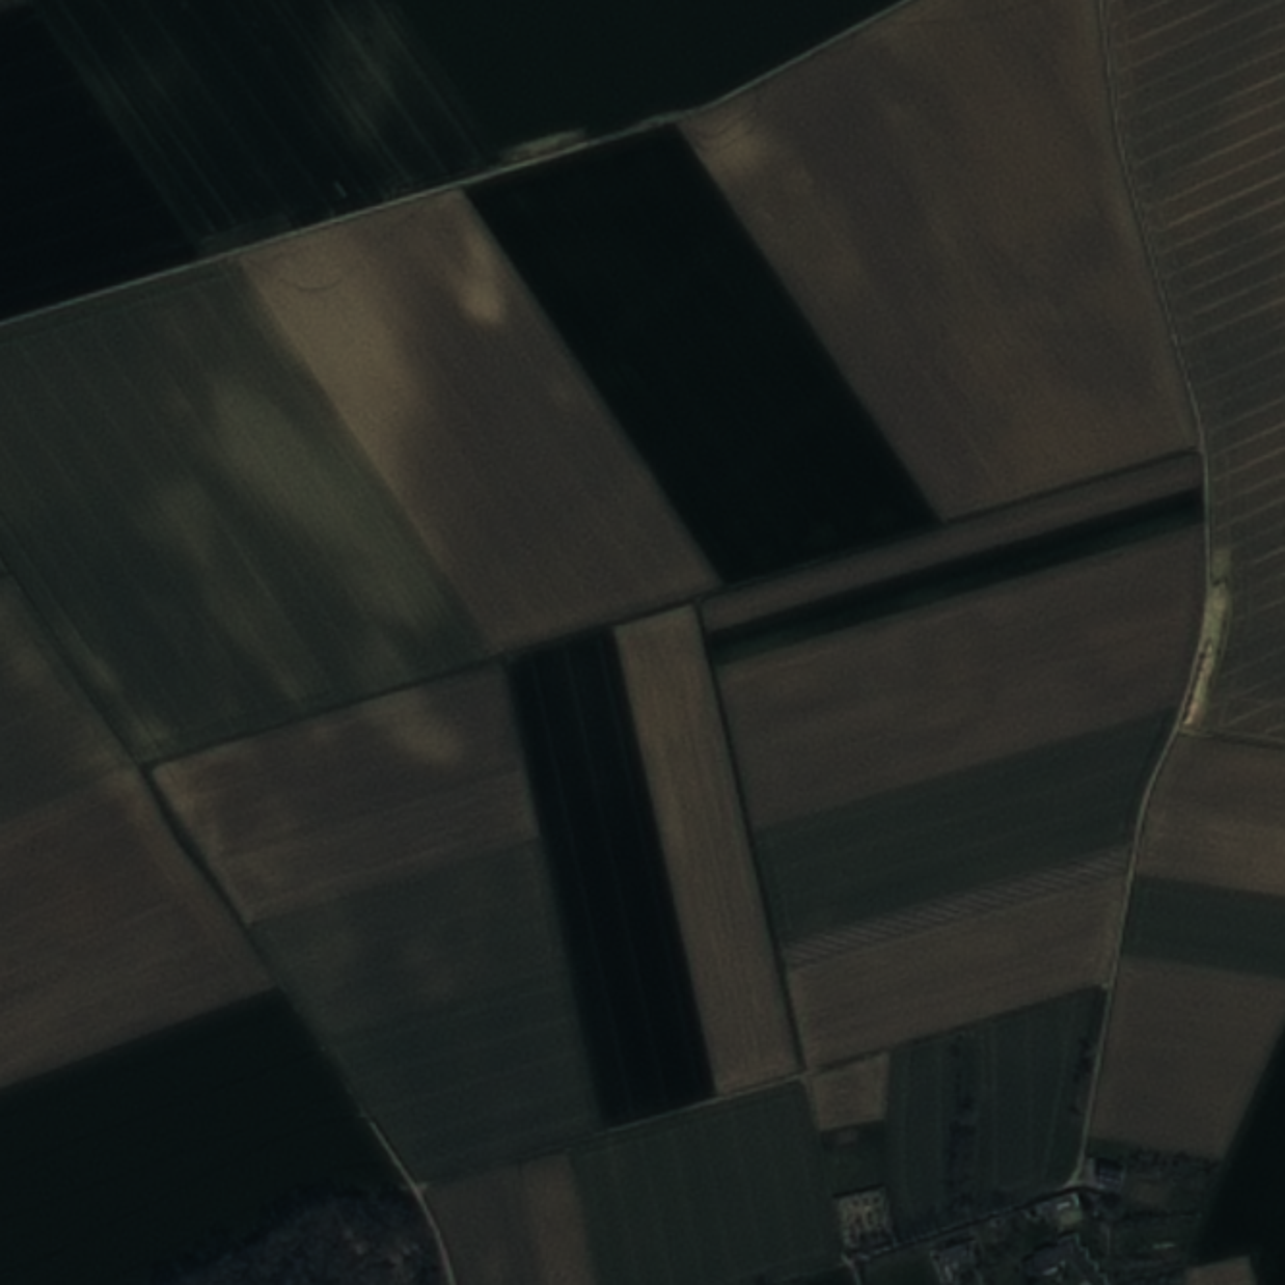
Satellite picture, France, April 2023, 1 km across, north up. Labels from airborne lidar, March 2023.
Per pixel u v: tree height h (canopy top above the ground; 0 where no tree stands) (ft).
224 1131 0
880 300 0
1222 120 0
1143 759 0
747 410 0
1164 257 0
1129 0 0
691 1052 0
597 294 0
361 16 0
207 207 0
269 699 0
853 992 0
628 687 0
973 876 0
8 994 0
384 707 0
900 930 0
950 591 0
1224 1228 0
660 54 0
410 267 0
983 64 0
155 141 0
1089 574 0
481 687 0
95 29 0
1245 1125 0
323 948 0
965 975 0
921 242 0
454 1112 0
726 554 0
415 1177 0
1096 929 0
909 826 0
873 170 0
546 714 0
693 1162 0
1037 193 0
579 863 0
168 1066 0
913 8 0
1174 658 0
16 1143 0
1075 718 0
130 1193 0
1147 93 0
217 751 0
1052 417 0
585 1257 0
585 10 0
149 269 0
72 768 0
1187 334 0
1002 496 0
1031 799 0
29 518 0
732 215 0
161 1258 0
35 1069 0
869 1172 0
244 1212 0
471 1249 0
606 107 0
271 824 0
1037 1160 0
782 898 0
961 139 0
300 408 0
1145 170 0
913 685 0
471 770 0
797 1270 0
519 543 0
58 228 0
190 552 0
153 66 0
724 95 0
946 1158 0
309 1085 0
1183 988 0
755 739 0
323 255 0
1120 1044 0
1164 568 0
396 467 0
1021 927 0
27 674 0
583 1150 0
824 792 0
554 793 0
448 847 0
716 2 0
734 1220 0
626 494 0
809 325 0
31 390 0
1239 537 0
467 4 0
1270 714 0
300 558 0
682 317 0
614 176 0
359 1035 0
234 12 0
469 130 0
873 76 0
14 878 0
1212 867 0
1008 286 0
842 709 0
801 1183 0
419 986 0
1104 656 0
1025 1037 0
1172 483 0
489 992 0
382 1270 93
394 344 0
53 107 0
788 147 0
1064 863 0
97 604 0
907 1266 0
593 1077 0
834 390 0
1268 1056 0
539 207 0
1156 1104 0
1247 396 0
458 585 0
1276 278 0
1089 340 0
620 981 0
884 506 0
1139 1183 0
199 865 0
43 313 0
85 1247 0
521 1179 0
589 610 0
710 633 0
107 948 0
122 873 0
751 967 0
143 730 0
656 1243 0
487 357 0
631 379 0
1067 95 0
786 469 0
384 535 0
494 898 0
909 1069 0
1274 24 0
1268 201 0
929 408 0
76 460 0
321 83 0
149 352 0
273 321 0
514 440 0
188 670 0
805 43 0
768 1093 0
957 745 0
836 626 0
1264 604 0
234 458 0
